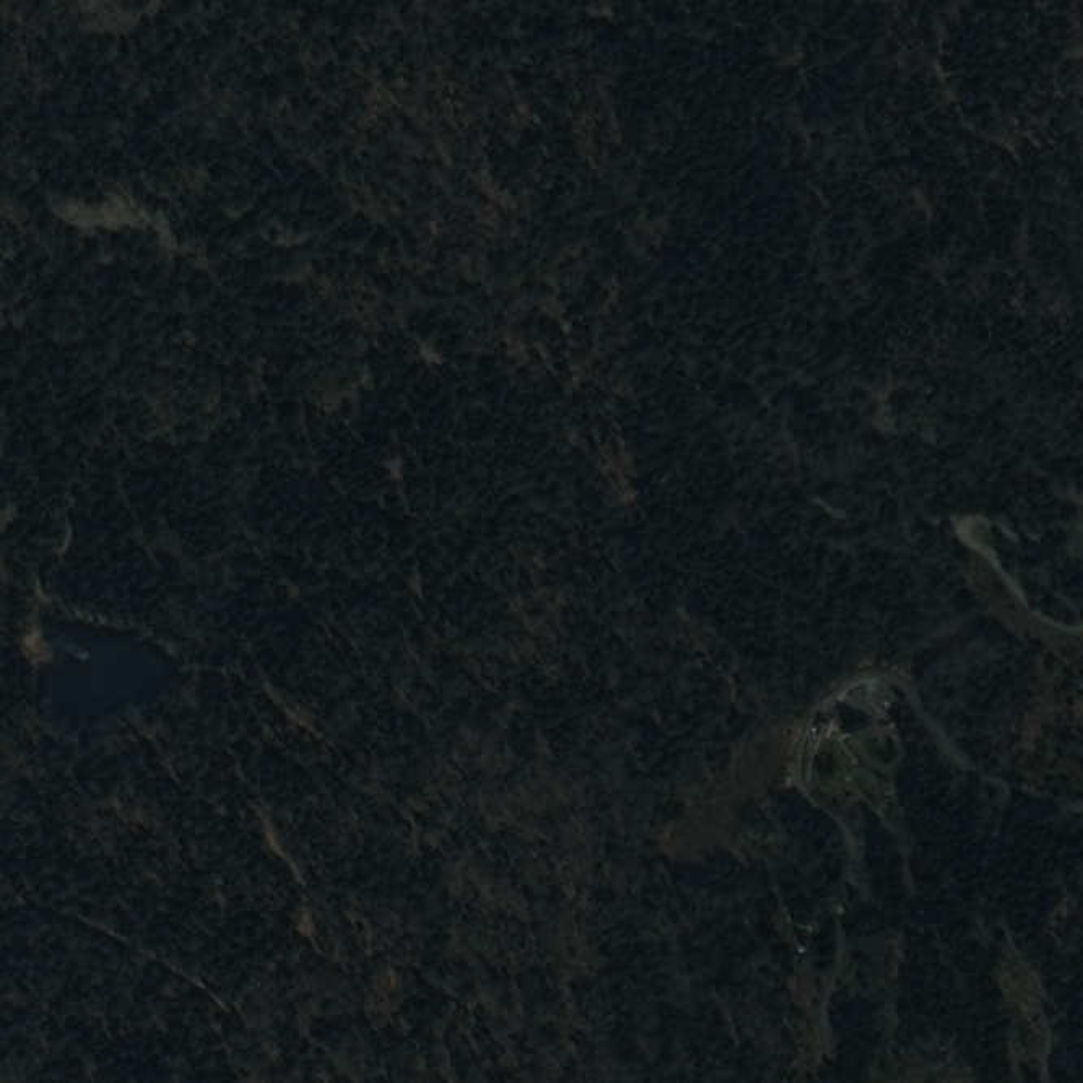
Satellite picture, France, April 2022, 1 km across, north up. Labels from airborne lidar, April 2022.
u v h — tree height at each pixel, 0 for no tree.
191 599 25
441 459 25
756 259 28
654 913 32
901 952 7
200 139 21
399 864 23
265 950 25
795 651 35
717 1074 30
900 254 16
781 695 27
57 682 0
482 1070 35
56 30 30
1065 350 27
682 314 36
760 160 22
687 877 23
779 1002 35
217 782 21
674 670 31
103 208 0
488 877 25
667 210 29
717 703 32
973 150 27
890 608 38
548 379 16
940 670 32
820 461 30
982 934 14
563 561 34
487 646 31
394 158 28
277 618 28
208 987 22
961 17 11
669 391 33
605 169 23
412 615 28
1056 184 28
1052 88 24
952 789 23
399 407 25
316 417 34
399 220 19
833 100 24
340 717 21
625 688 14
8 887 22
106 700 0
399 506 16
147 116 24
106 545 26
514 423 29
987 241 18
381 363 28
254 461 20
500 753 28
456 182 18
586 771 31
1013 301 30
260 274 29
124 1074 22
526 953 26
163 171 26
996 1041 31
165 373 23
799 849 21
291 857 23
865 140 30
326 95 20
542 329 19
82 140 22
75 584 33
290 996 24
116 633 0
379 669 28
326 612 28
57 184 22
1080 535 20
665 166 30
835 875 26
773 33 21
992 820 15
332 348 18
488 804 34
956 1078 0
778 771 7
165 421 16
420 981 30
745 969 33
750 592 31
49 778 19
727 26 19
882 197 31
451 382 30
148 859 26
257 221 25
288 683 14
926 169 28
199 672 8
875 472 30
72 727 28
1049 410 31
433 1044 40
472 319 23
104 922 20
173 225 12
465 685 32
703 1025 27
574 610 30
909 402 36
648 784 34
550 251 16
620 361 21
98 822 27
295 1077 25
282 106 29
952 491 29
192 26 17
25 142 27
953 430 21
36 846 15
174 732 26
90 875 29
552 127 21
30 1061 24
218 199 21
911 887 7
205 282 18
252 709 25
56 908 10
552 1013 29
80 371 25
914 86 22
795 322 18
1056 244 25
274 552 18
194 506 28
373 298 26
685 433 18
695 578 27
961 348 27
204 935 14
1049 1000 5
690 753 33
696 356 29
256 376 18
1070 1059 28
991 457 26
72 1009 25
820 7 30
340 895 21
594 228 21
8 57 28
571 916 38
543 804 33
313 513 20
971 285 27
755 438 33
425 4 26
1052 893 25
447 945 29
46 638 0
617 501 28
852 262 30
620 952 29
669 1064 24
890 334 17
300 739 17
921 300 25
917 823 30
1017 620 0
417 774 22
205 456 18
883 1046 6
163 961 9
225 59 17
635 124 29
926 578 31
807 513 27
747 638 29
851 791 0
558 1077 34
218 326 28
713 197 27
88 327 29
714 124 27
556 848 26
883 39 32
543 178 25
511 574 29
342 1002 32
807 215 30
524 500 25
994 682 29
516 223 27
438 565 27
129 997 20
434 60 27
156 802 23
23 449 32
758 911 27
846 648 34
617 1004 27
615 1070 30
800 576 37
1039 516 14
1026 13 25
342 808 31
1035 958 21
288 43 25
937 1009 29
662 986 37
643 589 33
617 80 22
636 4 24
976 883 20
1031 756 7
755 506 31
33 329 26
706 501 37
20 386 27
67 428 30
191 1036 21
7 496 13
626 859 30
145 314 30
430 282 14
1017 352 26
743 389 26
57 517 22
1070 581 23
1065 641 0
